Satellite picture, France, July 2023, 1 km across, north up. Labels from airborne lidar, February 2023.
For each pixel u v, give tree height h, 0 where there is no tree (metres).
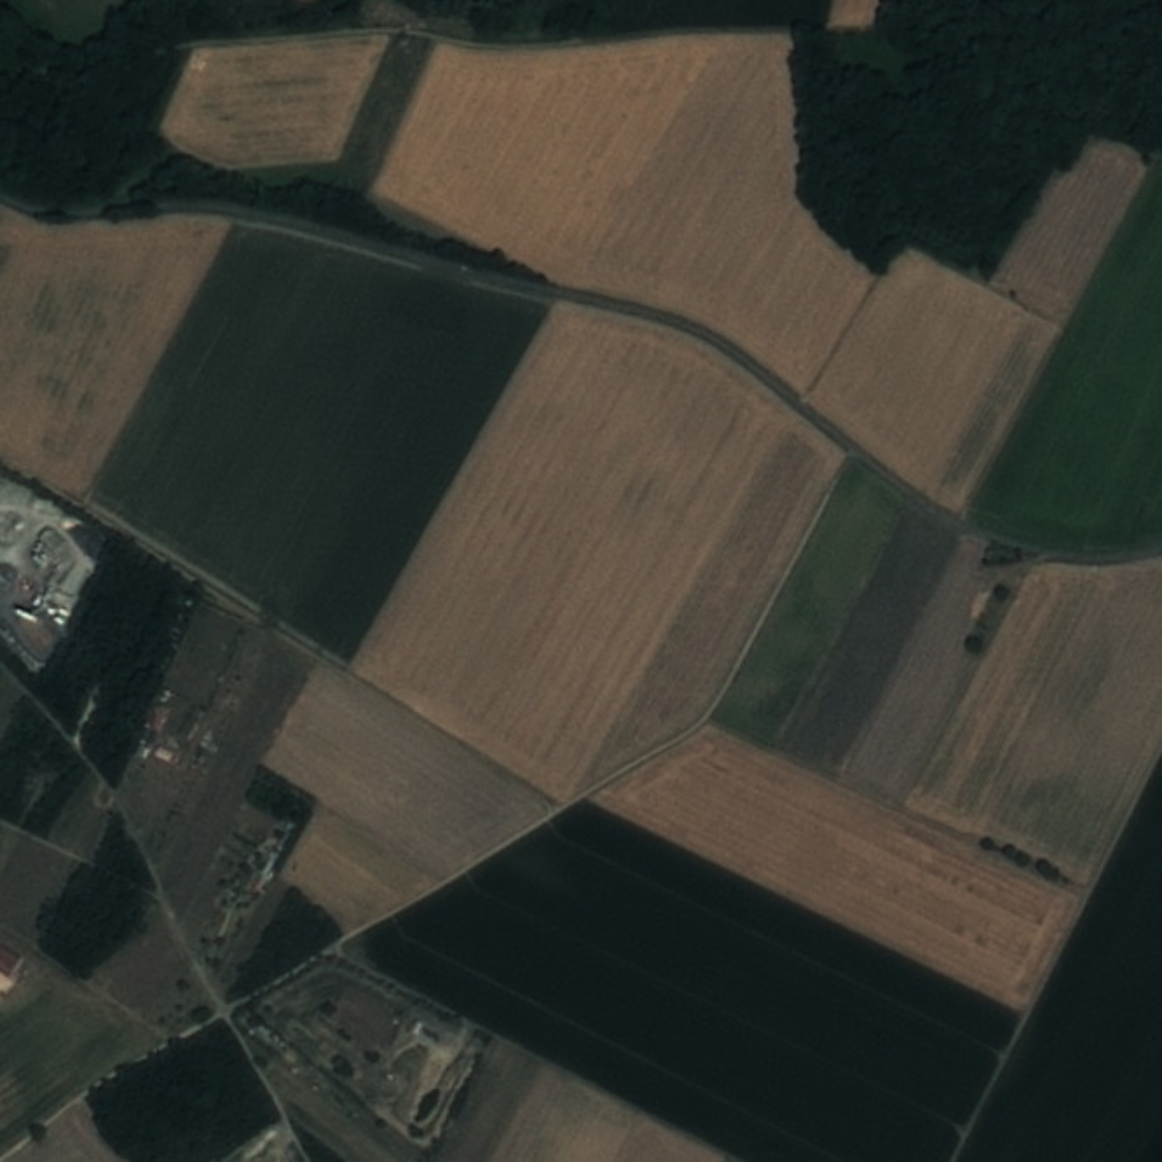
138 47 17
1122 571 0
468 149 0
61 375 0
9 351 0
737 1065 0
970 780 0
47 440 0
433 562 0
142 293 0
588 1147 0
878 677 0
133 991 0
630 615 0
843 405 0
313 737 0
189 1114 11
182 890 0
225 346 0
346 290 0
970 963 0
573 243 0
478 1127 0
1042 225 0
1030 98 25
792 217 0
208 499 0
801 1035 0
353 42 0
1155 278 0
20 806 8
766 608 0
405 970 0
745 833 0
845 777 0
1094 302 0
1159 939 0
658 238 0
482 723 0
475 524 0
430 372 0
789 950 0
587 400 0
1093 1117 0
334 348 0
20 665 8
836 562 0
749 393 0
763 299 0
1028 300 0
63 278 0
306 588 0
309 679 0
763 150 0
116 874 14
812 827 0
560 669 0
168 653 19
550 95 0
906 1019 0
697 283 0
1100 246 0
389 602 0
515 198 0
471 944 0
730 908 0
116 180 13
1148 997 0
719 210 0
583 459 0
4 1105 0
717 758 0
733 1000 0
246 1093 6
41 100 7
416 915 0
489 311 0
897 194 25
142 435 0
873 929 0
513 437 0
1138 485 0
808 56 15
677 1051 0
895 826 0
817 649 0
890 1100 0
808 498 0
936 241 24
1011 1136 0
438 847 0
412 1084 0
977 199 22
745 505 0
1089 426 0
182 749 0
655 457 0
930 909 0
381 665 0
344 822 0
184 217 0
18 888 0
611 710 0
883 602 0
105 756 6
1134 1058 0
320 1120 0
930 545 0
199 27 20
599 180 0
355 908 0
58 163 19
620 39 0
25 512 0
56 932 12
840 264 0
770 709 0
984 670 0
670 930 0
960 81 22
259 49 0
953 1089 0
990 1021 0
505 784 0
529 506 0
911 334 0
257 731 0
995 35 17
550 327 0
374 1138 0
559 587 0
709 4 0
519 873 0
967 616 0
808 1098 0
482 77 0
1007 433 0
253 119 0
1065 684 0
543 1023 0
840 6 0
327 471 0
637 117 0
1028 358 0
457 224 0
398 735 0
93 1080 0
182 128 0
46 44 17
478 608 0
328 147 0
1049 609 0
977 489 0
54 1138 0
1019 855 9
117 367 0
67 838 0
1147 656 0
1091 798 0
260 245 0
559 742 0
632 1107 0
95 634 19
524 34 0
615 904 0
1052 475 0
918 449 0
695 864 0
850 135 21
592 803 0
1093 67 23
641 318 0
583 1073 0
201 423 0
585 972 0
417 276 0
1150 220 0
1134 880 0
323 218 13
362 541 0
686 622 0
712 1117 0
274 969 7
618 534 0
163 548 0
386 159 0
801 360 0
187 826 0
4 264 0
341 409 0
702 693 0
